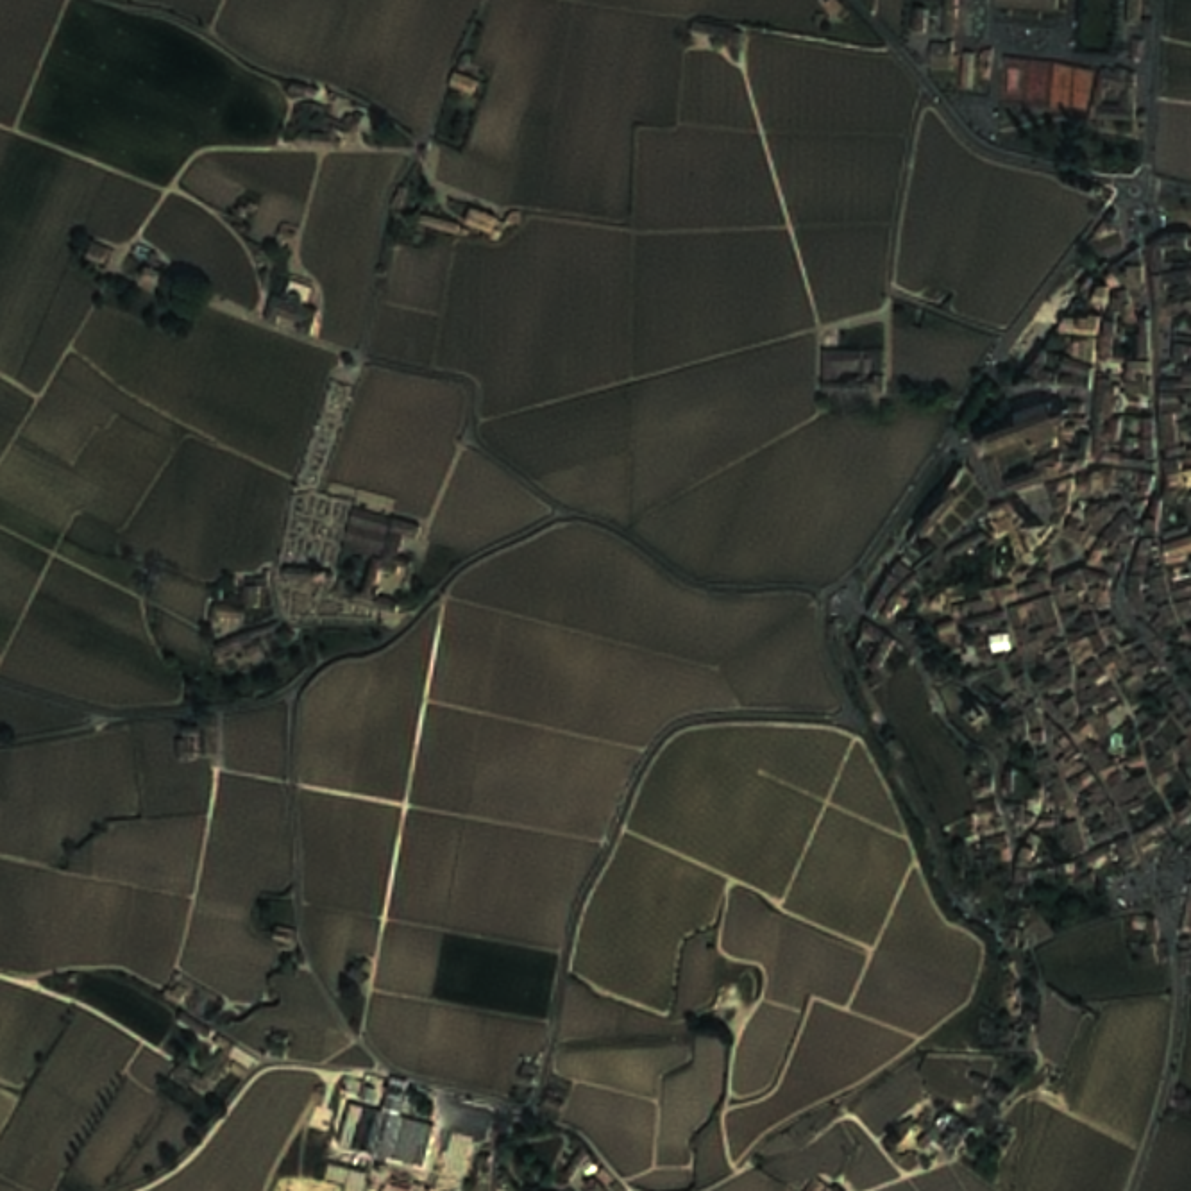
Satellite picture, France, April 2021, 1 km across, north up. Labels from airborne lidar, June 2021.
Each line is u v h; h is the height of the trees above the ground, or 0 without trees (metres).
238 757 0
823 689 0
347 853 0
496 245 0
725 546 0
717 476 0
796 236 0
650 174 0
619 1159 0
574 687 0
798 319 0
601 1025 0
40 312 0
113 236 0
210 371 0
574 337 0
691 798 0
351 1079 0
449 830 0
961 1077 0
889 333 0
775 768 0
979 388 9
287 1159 0
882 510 0
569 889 0
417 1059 0
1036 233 0
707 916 0
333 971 0
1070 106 0
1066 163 17
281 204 0
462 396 0
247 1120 0
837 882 0
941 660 11
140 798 0
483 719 0
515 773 0
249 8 0
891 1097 0
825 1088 0
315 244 0
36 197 0
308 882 0
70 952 0
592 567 0
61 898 0
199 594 0
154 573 16
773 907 0
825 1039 0
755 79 0
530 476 0
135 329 0
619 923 0
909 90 0
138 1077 0
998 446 0
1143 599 0
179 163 0
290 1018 0
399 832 0
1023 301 0
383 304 0
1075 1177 0
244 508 0
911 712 0
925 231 0
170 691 0
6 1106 0
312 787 0
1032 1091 0
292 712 0
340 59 0
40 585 0
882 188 0
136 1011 0
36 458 0
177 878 0
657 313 0
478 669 0
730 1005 0
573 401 0
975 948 0
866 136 0
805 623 0
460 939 0
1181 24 0
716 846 0
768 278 0
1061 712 0
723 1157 0
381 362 0
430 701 0
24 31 0
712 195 0
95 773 0
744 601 0
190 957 0
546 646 0
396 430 0
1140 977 0
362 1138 0
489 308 0
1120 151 13
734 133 0
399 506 0
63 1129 0
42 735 0
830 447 0
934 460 0
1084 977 0
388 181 0
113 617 0
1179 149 0
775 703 0
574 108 0
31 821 0
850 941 0
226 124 0
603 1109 0
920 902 0
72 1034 0
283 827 0
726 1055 0
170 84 0
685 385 0
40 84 0
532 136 0
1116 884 0
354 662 0
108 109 0
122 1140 0
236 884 0
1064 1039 0
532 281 0
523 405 0
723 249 0
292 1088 0
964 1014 0
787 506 0
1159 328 0
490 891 0
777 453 0
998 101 0
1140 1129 0
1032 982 8
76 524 0
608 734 0
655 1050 0
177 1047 6
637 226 0
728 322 0
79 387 0
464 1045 0
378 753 0
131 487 0
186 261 0
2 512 0
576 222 0
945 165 0
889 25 0
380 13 0
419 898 0
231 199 0
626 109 0
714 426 0
